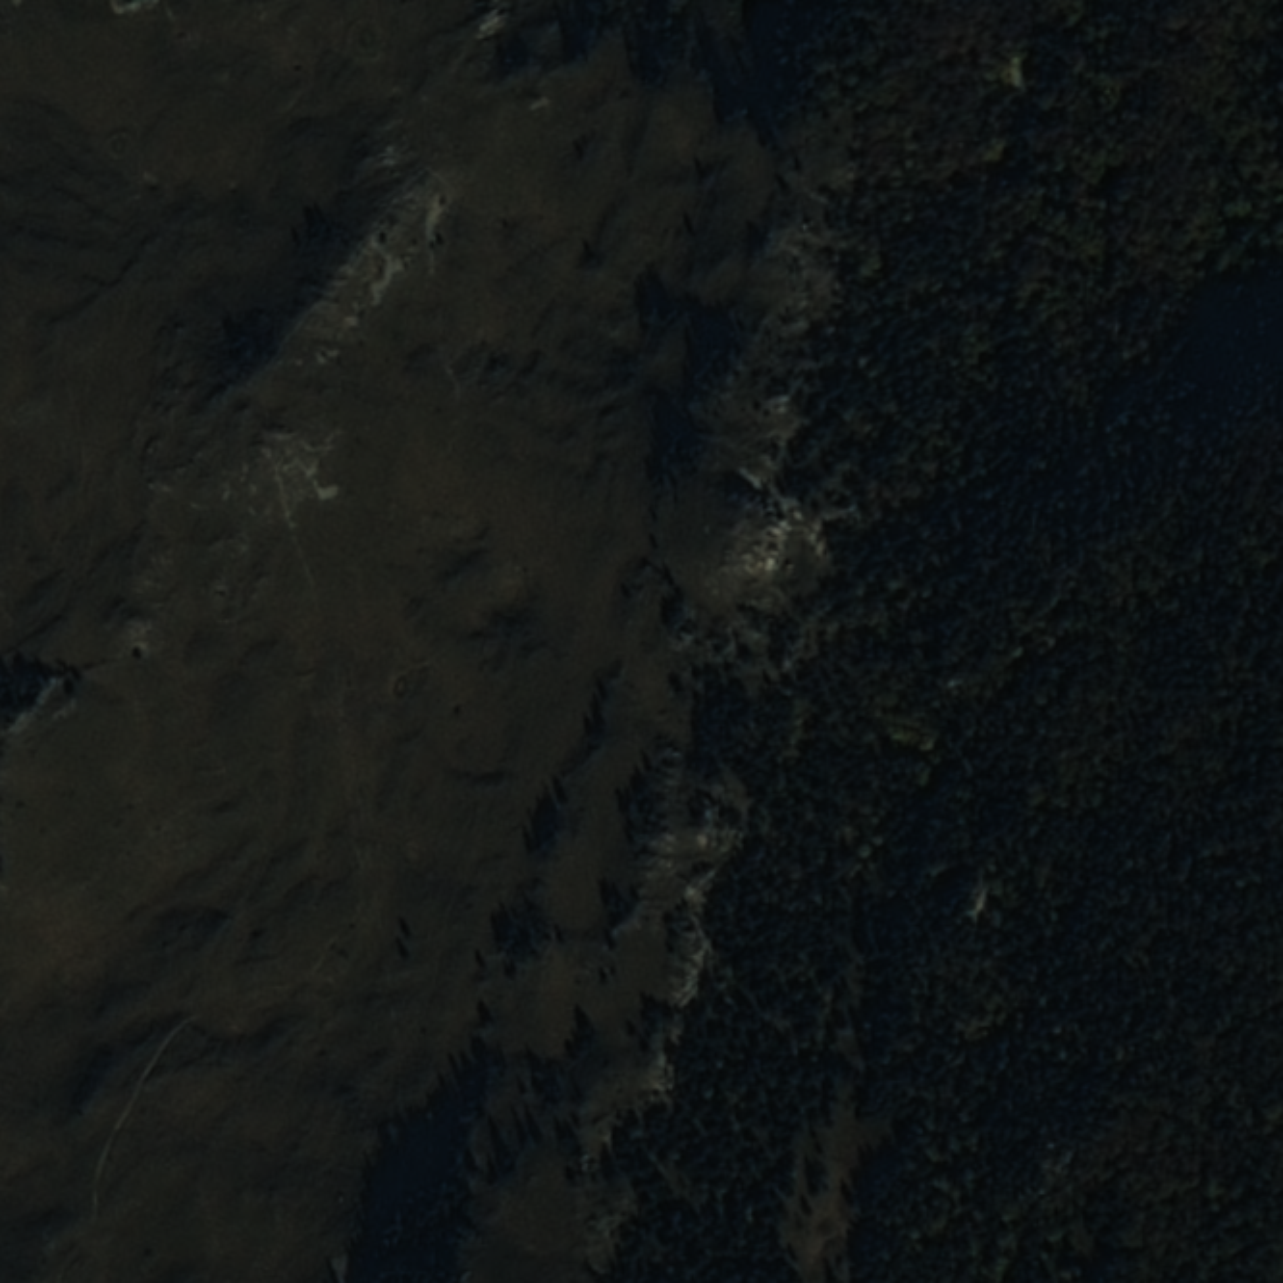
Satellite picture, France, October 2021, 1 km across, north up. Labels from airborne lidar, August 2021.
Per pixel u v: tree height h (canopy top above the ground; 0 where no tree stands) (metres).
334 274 0
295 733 0
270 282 0
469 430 0
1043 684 21
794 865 11
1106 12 23
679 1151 11
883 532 8
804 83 14
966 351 21
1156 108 22
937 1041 7
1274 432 18
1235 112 28
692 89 0
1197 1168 18
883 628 18
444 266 0
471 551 0
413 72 0
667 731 0
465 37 0
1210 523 23
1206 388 21
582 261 0
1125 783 19
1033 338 16
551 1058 0
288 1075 0
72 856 0
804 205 0
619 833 0
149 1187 0
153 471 0
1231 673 19
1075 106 26
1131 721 16
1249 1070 20
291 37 0
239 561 0
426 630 0
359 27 0
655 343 0
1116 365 23
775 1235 9
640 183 0
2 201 0
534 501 0
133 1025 0
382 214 0
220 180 0
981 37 21
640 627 0
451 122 0
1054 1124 14
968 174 10
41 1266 0
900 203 19
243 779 0
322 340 0
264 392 0
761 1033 9
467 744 0
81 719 0
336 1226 0
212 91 0
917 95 17
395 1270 9
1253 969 20
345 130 0
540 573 0
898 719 18
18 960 0
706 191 0
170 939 0
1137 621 16
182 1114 0
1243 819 17
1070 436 21
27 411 0
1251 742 21
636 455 0
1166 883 16
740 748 12
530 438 0
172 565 0
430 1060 0
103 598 0
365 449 0
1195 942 11
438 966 0
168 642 0
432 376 0
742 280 0
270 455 0
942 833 13
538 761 0
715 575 0
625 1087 0
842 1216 0
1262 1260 13
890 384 8
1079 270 23
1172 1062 14
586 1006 0
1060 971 9
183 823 0
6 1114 0
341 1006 0
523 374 0
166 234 0
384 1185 0
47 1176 0
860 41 20
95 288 0
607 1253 0
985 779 24
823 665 8
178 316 0
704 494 0
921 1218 11
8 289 0
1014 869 16
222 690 0
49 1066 0
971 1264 15
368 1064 0
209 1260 0
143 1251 0
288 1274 0
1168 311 27
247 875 0
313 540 0
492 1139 0
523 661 0
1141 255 21
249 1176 0
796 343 0
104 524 0
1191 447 15
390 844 0
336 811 0
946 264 22
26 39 0
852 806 13
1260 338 17
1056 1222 16
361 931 0
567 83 0
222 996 0
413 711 0
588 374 0
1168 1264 11
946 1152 17
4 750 0
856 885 9
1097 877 18
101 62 0
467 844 0
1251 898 17
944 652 16
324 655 0
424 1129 0
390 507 0
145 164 0
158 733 0
